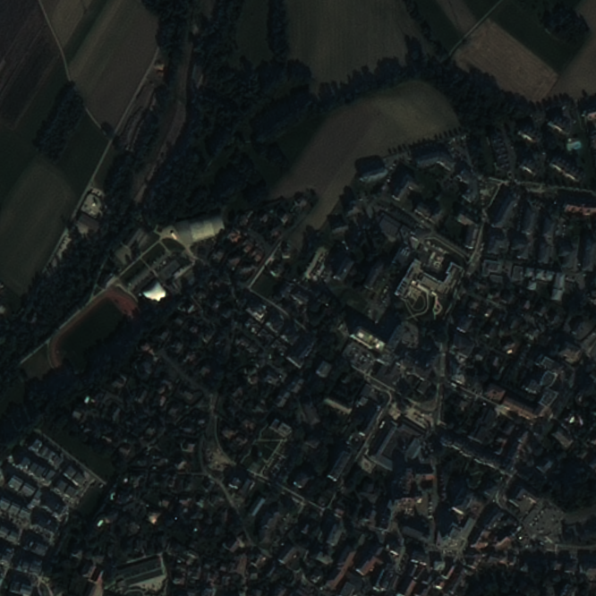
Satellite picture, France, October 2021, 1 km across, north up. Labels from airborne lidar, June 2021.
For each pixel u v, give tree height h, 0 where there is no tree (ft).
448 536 0
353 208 0
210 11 0
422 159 0
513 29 0
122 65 0
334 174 0
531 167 0
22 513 0
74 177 0
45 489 0
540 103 0
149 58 0
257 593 0
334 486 66
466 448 0
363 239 42
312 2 0
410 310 0
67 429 57
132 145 0
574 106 25
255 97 55
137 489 24
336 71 0
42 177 0
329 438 68
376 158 0
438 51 32
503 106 70
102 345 0
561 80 0
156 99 0
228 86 66
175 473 24
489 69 0
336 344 73
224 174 0
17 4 0
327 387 58
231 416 49
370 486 0
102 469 0
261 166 0
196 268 0
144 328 72
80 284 28
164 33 38
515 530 0
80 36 0
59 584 58
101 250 43
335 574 0
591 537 29
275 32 59
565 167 0
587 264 0
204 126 48
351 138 0
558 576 67
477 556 0
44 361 0
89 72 0
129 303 0
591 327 0
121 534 27
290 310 38
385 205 0
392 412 0
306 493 54
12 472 0
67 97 36
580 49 0
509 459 0
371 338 0
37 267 0
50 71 0
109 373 42
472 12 0
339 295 0
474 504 0
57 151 36
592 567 0
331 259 25
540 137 0
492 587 52
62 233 0
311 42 0
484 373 56
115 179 43
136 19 0
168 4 60
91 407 19
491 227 0
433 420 0
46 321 52
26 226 0
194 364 24
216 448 0
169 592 0
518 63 0
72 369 0
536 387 0
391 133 0
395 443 0
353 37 0
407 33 0
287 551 0
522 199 0
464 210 29
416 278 0
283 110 0
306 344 0
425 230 0
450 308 0
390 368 0
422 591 0
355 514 38
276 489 57
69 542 0
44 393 62
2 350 54
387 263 29
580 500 76
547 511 0
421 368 0
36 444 0
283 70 60
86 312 0
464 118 54
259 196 67
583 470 52
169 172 44
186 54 40
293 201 0
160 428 43
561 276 0
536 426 0
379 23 0
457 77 65
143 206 33
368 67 0
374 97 0
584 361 0
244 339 0
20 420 0
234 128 71
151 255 0
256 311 0
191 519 33
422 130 0
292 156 0
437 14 0
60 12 0
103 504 23
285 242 0
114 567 69
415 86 0
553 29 43
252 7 0
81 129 0
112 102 0
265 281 0
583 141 0
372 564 0
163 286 0
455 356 0
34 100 0
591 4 0
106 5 0
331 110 28
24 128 0
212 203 60
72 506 0
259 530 0
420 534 0
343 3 0
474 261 0
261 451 0
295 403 47
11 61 0
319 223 0
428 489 40
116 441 46
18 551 0
